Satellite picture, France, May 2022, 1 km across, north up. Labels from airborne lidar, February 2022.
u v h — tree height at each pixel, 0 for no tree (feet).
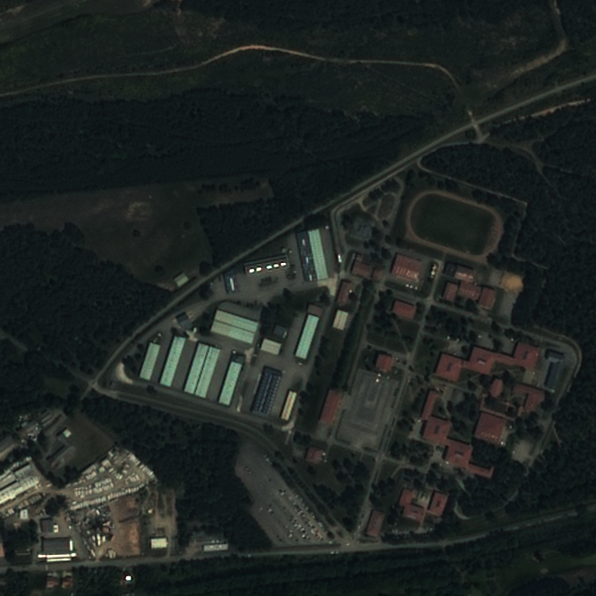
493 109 0
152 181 23
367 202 0
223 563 44
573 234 20
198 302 0
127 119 43
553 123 52
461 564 0
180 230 0
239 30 0
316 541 0
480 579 0
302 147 30
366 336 0
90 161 53
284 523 0
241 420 0
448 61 0
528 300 74
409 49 0
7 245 48
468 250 0
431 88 0
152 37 0
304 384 0
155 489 0
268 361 0
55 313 49
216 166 42
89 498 0
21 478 0
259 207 41
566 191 54
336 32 29
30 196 48
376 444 0
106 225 0
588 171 51
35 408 47
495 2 58
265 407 0
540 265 28
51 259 63
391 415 0
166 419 34
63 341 44
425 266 0
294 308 0
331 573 76
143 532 0
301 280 0
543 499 81
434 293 0
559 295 69
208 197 0
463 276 0
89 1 0
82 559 0
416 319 0
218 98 38
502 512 0
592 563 0
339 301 0
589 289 54
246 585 65
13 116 43
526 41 0
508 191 29
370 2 55
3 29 0
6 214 0
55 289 39
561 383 0
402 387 0
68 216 0
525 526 0
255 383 0
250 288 0
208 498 69
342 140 42
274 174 46
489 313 0
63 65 0
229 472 66
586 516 76
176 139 48
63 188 32
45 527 0
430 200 0
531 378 0
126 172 37
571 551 92
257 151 34
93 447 0
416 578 66
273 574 59
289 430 0
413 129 31
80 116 48
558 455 96
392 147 40
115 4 0
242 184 20
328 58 0
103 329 55
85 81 0
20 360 0
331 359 0
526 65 0
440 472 0
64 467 0
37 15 0
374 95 0
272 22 46
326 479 0
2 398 52
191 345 0
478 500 60
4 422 45
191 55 0
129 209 0
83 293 44
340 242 0
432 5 68
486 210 0
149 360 0
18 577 36
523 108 0
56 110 51
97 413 59
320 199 71
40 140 61
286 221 49
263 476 0
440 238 0
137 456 48
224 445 59
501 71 0
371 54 0
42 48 0
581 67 0
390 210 0
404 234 0
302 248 0
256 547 61
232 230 65
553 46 0
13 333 55
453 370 0
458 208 0
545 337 0
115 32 0
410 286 0
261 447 0
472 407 49
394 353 0
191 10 49
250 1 63
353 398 0
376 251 42
